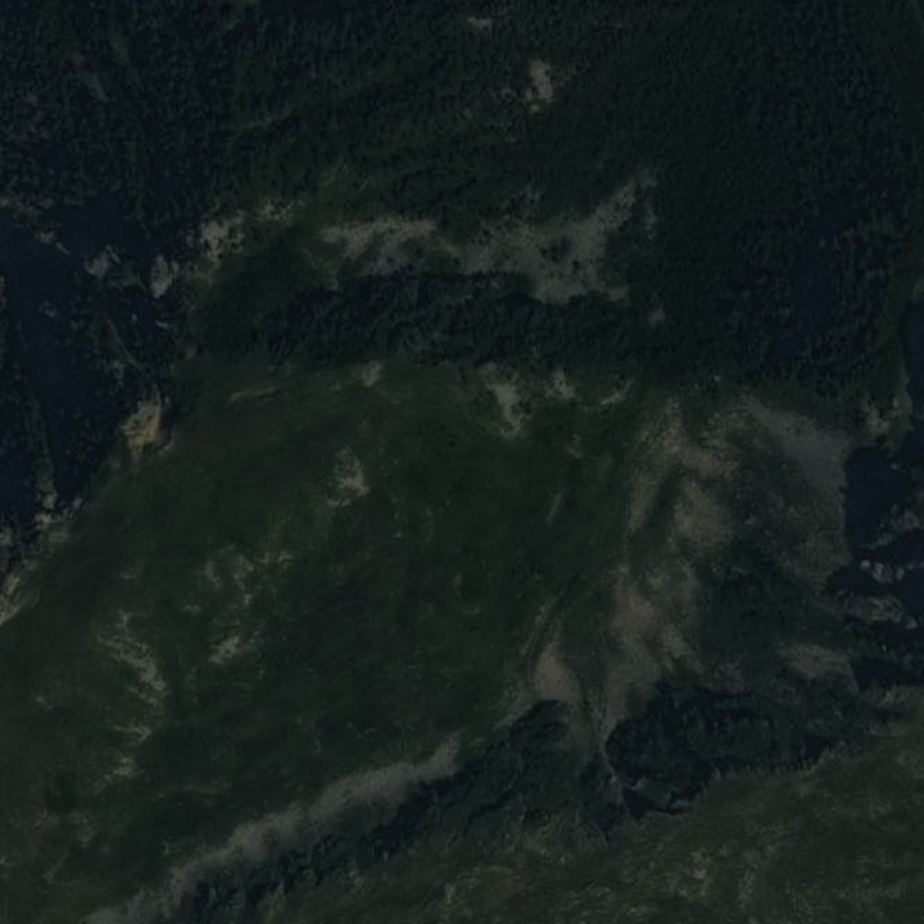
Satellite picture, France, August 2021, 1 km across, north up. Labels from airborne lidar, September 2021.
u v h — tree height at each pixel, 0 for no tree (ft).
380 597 0
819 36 79
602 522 0
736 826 0
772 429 0
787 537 0
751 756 0
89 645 0
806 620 0
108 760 0
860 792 0
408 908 0
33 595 0
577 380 0
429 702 0
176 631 0
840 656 0
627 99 25
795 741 0
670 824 0
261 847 0
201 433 0
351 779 0
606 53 36
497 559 0
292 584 0
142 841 0
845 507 0
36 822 0
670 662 0
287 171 33
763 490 0
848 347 39
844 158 59
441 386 0
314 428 0
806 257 30
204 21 48
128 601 0
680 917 0
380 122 20
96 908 0
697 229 20
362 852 0
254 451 0
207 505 0
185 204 52
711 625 0
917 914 0
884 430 0
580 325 18
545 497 0
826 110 37
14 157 60
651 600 0
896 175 39
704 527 0
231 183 31
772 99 50
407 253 0
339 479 0
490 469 0
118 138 38
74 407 46
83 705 0
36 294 29
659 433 0
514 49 40
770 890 0
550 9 33
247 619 0
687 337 21
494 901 0
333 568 0
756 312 21
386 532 0
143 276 24
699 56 37
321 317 40
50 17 38
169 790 0
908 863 0
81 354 25
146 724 0
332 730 0
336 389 0
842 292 30
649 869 0
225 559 0
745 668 0
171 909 0
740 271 18
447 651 0
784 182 22
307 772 0
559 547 0
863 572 0
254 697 0
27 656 0
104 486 0
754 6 24
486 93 40
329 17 19
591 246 0
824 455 0
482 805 0
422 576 0
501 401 0
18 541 0
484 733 0
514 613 0
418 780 0
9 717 0
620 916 0
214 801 0
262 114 38
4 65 30
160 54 59
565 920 0
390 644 0
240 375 0
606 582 0
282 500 0
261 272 18
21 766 0
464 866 0
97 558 0
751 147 37
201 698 0
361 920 0
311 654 0
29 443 49
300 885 0
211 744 0
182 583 0
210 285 0
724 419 0
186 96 49
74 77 39
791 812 0
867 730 0
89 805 0
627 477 0
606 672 0
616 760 0
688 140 29
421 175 32
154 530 0
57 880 0
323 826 0
